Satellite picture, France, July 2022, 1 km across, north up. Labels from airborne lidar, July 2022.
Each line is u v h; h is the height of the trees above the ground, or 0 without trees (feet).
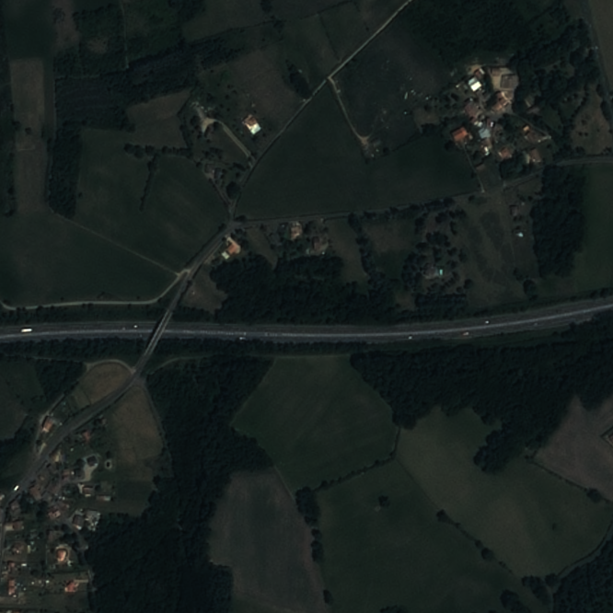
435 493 0
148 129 0
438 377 85
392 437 0
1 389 0
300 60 0
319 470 0
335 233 0
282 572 0
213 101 44
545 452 0
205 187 0
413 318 30
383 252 0
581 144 0
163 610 80
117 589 66
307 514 64
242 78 0
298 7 0
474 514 0
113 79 46
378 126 0
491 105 23
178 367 30
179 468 57
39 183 0
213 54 36
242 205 0
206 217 0
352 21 0
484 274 0
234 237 39
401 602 0
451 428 0
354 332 0
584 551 0
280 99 0
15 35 0
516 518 0
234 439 79
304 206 0
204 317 45
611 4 0
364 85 0
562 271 65
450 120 35
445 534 0
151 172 22
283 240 48
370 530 0
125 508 0
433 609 0
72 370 45
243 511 0
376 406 0
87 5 0
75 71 25
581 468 0
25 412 0
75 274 0
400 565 0
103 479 0
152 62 81
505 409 70
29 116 0
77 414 24
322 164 0
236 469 48
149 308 25
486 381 52
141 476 0
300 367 0
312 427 0
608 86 0
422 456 0
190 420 55
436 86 0
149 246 0
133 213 0
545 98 39
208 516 43
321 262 61
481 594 0
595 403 55
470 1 30
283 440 0
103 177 0
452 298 60
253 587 0
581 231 57
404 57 0
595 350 38
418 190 0
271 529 0
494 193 0
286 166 0
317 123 0
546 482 0
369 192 0
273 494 0
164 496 51
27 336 0
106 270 0
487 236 0
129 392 0
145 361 0
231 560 0
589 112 0
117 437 0
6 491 0
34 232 0
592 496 62
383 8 0
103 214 0
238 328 0
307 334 0
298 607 0
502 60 0
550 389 56
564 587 35
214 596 77
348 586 0
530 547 0
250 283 70
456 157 0
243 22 0
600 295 35
